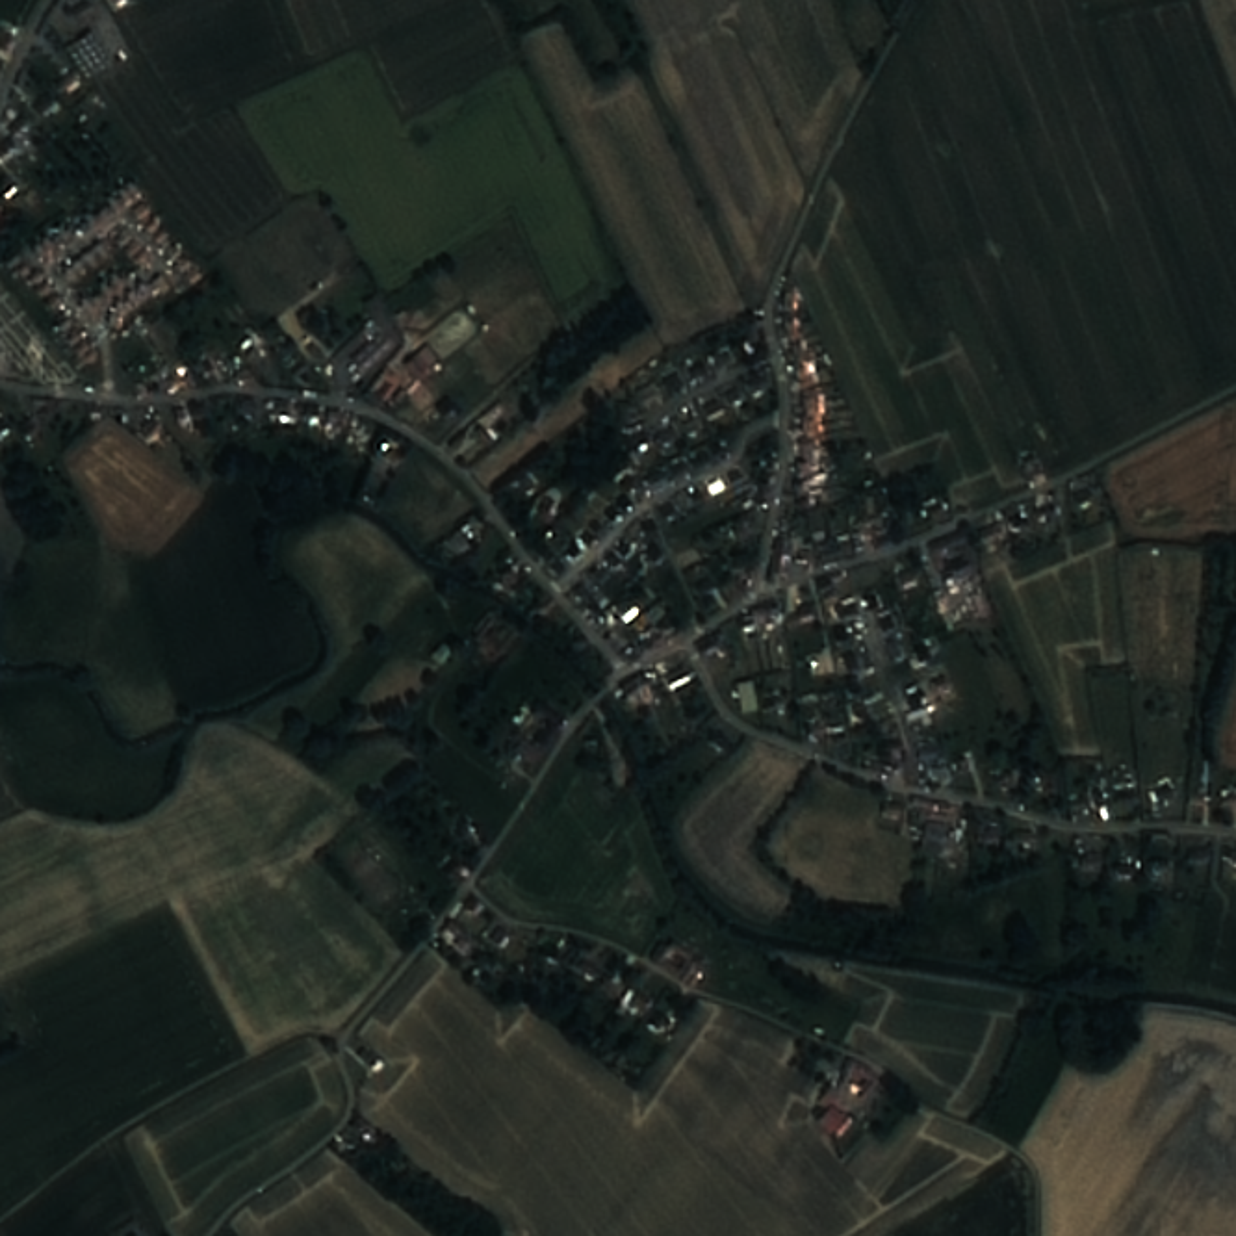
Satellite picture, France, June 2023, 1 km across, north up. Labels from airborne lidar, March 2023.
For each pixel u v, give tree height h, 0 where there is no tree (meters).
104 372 0
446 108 0
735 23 0
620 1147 0
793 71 0
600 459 18
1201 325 0
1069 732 0
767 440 9
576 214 0
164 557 0
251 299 0
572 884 0
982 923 0
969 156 0
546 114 0
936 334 0
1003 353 0
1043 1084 0
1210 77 0
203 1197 0
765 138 0
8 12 0
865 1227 0
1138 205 0
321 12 0
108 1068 0
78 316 0
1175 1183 0
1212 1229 0
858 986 0
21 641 0
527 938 0
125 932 0
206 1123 0
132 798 0
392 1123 0
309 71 0
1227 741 0
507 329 0
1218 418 0
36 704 0
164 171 0
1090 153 0
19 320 0
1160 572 0
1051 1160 0
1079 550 0
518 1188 0
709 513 0
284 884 0
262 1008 0
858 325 0
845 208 0
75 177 10
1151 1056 0
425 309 0
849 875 0
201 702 0
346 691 0
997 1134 0
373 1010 0
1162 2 0
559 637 11
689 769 0
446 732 0
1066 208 0
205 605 0
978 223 0
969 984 0
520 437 0
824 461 0
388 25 0
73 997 0
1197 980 0
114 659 0
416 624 0
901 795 0
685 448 9
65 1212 0
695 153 0
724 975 0
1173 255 0
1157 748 0
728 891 0
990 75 0
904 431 0
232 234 0
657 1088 0
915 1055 0
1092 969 13
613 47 0
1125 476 0
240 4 0
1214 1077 0
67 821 0
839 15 0
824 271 0
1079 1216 0
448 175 0
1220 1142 0
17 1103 0
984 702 0
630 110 0
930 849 0
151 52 0
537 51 0
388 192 0
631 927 0
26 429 0
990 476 0
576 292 0
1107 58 0
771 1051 0
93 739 0
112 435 0
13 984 0
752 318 11
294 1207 0
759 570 0
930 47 0
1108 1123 0
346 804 0
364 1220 0
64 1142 0
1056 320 0
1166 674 0
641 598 9
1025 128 0
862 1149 0
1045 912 0
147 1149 0
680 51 0
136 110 0
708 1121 0
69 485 7
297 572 0
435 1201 6
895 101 0
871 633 0
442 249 0
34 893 0
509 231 0
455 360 0
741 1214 0
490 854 0
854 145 0
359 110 0
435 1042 0
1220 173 0
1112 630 0
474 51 0
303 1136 0
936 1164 0
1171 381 0
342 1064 0
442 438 0
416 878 0
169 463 0
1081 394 0
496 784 0
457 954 12
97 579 0
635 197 0
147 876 0
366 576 0
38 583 0
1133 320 0
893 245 0
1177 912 0
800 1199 0
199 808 0
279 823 0
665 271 0
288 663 0
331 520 0
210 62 0
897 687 0
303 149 0
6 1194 0
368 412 0
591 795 0
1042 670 0
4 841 0
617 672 0
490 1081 0
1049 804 13
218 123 0
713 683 0
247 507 0
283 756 0
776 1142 0
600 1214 0
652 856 0
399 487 0
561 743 0
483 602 0
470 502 0
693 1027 0
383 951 0
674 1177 0
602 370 0
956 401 0
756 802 0
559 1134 0
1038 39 0
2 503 0
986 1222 0
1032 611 0
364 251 0
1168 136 0
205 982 0
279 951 0
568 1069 0
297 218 0
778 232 0
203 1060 0
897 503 14
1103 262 0
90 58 0
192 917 0
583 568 0
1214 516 0
